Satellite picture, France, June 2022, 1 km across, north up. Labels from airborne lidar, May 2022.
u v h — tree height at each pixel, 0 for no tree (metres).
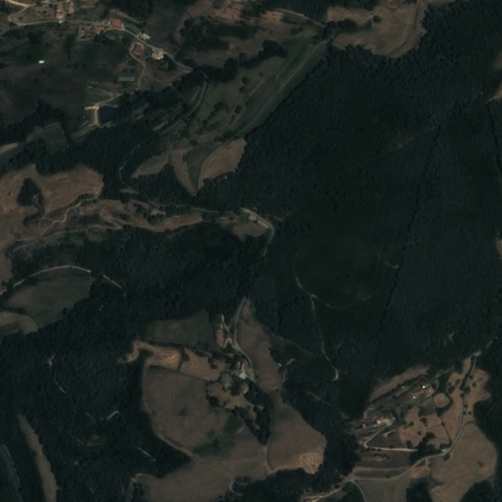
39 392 13
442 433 0
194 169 0
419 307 19
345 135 23
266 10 7
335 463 16
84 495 10
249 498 17
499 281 18
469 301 20
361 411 13
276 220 8
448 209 16
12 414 17
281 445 0
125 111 13
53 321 0
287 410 0
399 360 22
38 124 22
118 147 10
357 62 19
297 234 12
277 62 0
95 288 22
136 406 13
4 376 17
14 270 7
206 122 11
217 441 9
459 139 20
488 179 17
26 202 12
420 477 0
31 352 15
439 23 15
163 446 7
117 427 15
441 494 0
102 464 16
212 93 0
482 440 0
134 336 10
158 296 17
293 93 18
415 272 13
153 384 0
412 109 25
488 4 12
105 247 8
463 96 18
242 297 5
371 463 0
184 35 16
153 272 21
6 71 0
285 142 17
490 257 15
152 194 9
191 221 0
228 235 12
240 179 12
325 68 19
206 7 0
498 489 9
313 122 18
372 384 12
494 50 18
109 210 0
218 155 0
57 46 0
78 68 9
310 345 11
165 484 0
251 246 7
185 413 0
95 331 15
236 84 0
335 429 17
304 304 21
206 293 18
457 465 0
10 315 0
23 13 0
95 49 0
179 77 0
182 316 14
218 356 15
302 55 0
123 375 14
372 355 13
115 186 13
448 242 18
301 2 13
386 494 0
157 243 9
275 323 16
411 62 15
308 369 15
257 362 0
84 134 0
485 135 17
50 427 15
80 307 19
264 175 16
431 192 15
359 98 21
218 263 18
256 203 19
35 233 0
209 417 0
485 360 6
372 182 16
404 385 6
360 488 0
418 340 20
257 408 16
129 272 10
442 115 15
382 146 18
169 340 0
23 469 20
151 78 0
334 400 14
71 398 15
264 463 0
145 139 12
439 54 18
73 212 0
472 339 14
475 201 13
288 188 23
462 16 20
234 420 0
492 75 15
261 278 14
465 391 7
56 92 0
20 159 17
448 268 17
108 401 8
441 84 19
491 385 5
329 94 16
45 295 0
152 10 8
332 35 14
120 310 15
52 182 0
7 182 0
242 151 0
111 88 0
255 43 0
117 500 17
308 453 0
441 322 16
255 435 8
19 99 0
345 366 12
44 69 12
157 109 12
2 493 14
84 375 17
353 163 15
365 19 0
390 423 0
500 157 27
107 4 9
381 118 21
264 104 0
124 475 13
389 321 24
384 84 19
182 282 16
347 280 6
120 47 0
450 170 20
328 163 21
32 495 19
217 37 8
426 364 12
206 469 0
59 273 0
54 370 14
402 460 0
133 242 14
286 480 13
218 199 15
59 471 12
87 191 0
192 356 0
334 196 19
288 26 0
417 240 16
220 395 0
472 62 20
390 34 0
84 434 15
